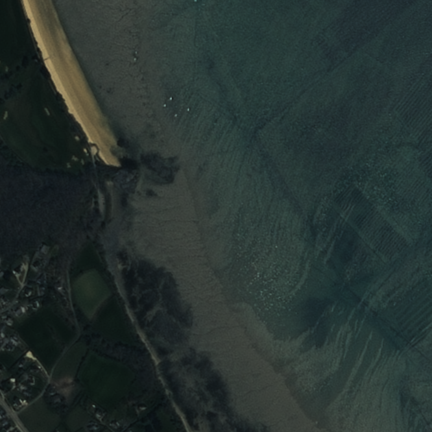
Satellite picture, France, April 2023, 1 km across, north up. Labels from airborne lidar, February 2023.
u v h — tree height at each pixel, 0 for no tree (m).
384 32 0
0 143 7
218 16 0
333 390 0
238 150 0
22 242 19
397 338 0
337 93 0
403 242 0
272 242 0
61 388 0
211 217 0
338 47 0
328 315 0
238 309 0
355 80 0
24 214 23
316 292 0
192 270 0
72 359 0
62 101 15
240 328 0
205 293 0
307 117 0
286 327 0
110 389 0
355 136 0
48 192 29
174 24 0
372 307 0
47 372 0
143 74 0
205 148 0
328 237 0
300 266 0
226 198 0
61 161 0
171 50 0
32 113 0
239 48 0
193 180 0
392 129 0
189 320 0
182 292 0
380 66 0
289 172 0
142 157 0
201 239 0
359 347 0
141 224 0
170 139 0
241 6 0
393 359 0
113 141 0
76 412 0
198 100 0
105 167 6
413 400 0
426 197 0
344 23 0
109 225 0
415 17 0
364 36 0
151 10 0
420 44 0
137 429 0
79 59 0
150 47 0
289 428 0
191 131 0
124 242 0
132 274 0
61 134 0
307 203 0
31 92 0
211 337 0
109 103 0
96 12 0
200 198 0
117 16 0
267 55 0
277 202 0
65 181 24
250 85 0
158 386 12
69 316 6
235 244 0
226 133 0
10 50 0
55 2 0
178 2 0
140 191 0
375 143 0
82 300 0
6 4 0
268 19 0
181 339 0
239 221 0
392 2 0
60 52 0
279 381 0
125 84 0
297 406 0
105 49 0
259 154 0
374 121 0
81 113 0
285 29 0
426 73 0
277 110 0
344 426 0
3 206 21
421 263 0
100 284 0
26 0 0
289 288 0
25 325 0
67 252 23
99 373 0
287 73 0
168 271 0
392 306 0
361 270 0
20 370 6
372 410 0
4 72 0
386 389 0
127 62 0
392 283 0
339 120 0
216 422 0
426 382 0
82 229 21
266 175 0
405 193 0
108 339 0
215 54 0
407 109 0
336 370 0
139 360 20
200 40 0
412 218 0
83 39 0
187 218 0
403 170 0
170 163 0
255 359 0
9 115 0
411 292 0
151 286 0
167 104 0
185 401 0
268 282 0
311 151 0
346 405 0
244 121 0
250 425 0
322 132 0
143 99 0
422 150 0
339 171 0
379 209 0
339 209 0
